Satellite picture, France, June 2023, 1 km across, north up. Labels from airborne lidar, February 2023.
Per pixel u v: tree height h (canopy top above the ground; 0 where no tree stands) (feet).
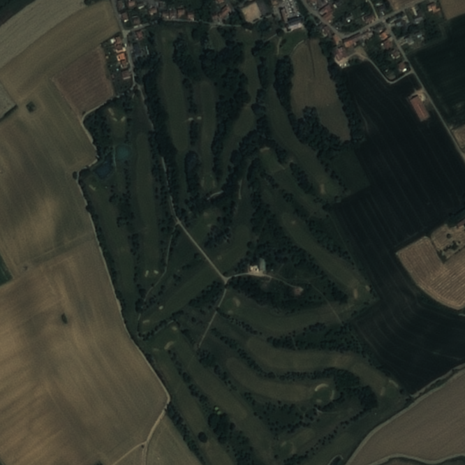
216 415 39
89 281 0
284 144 0
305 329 30
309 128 80
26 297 0
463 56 0
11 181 0
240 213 0
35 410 0
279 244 0
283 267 0
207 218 0
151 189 0
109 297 0
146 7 17
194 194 60
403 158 0
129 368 0
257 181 60
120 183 0
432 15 0
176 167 57
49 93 0
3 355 0
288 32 0
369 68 0
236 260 0
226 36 49
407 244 0
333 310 0
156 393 0
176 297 0
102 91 0
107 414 0
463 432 0
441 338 0
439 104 0
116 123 0
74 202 0
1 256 0
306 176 33
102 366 0
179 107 0
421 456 0
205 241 0
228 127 69
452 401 0
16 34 0
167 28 0
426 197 0
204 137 0
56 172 0
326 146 73
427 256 0
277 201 0
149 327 0
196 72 64
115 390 0
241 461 47
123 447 0
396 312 0
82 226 0
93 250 0
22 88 0
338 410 0
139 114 0
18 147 0
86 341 0
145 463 0
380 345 0
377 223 0
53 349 0
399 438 0
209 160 0
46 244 0
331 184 0
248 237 0
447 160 0
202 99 0
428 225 0
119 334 0
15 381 0
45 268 0
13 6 0
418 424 0
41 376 0
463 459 0
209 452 0
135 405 0
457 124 0
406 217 0
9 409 0
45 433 0
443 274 0
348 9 0
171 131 0
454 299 0
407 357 0
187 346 0
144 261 0
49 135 0
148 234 0
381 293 0
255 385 0
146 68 70
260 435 0
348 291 0
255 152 76
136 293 0
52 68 0
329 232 0
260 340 0
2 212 0
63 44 0
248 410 0
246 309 0
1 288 0
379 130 0
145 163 0
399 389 0
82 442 0
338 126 0
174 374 0
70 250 0
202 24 38
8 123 0
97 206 0
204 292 34
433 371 0
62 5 0
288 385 0
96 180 0
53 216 0
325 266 0
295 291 0
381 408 0
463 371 0
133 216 23
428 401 0
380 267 0
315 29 54
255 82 0
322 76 0
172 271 0
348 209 0
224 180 0
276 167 0
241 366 0
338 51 0
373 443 0
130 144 29
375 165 0
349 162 0
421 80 0
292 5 0
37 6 0
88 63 0
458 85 0
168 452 0
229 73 73
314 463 0
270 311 0
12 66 0
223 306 0
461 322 0
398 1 0
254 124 0
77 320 0
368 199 0
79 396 0
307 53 0
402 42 0
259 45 64
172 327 0
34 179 0
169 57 0
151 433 0
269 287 0
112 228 0
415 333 0
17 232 0
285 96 78
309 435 0
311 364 0
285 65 73
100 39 0
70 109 0
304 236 0
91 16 0
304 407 0
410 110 0
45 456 0
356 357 0
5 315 0
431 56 0
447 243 0
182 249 0
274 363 0
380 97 0
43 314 0
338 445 0
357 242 0
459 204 0
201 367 0
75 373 0
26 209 0
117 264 0
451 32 0
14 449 0
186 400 0
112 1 0
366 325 0
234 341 27
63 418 0
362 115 0
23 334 0
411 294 0
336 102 0
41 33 0
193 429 0
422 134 0
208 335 0
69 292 0
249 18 0
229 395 0
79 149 0
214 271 0
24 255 0
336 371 39
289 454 0
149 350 0
